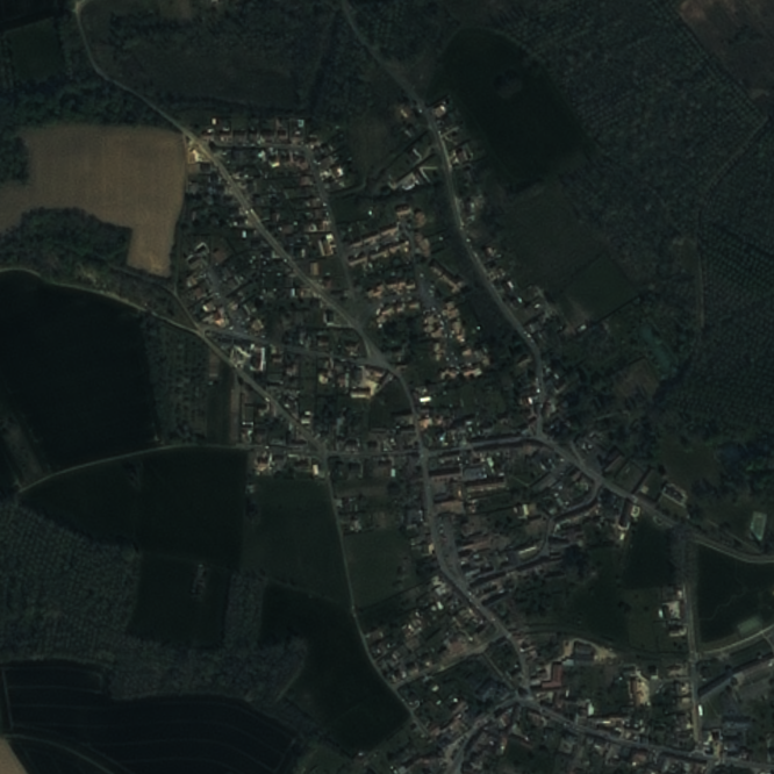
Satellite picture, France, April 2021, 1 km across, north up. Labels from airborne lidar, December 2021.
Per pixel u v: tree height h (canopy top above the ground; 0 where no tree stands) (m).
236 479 0
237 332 0
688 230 18
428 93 0
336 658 0
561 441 15
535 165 0
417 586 0
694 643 0
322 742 18
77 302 0
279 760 0
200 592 9
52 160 0
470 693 0
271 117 8
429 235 0
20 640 9
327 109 18
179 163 0
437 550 0
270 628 0
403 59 21
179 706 0
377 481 0
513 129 0
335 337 0
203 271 0
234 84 0
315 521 0
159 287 10
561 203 0
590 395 17
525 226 0
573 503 0
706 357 26
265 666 25
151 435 0
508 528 6
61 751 0
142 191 0
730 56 0
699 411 24
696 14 0
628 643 0
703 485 0
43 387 0
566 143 0
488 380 11
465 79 0
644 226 21
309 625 0
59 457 0
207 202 6
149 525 0
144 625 0
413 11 19
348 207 0
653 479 0
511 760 0
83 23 0
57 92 23
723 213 13
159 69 0
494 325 6
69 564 28
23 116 24
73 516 0
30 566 27
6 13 0
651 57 11
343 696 0
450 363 0
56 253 19
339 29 18
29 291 0
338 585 0
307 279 0
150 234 0
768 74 0
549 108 0
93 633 22
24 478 0
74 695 0
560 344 17
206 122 0
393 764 15
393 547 0
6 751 0
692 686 0
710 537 9
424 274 0
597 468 0
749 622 0
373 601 0
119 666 10
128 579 14
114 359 0
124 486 0
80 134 0
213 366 0
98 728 0
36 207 0
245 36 32
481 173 13
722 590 0
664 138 9
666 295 9
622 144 12
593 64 6
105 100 22
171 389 8
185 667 32
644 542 0
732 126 14
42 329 0
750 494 37
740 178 12
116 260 20
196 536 0
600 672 0
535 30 9
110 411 0
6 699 0
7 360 0
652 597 0
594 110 23
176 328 6
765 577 0
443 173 0
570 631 0
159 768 0
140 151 0
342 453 0
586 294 0
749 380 23
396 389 0
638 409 23
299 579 0
